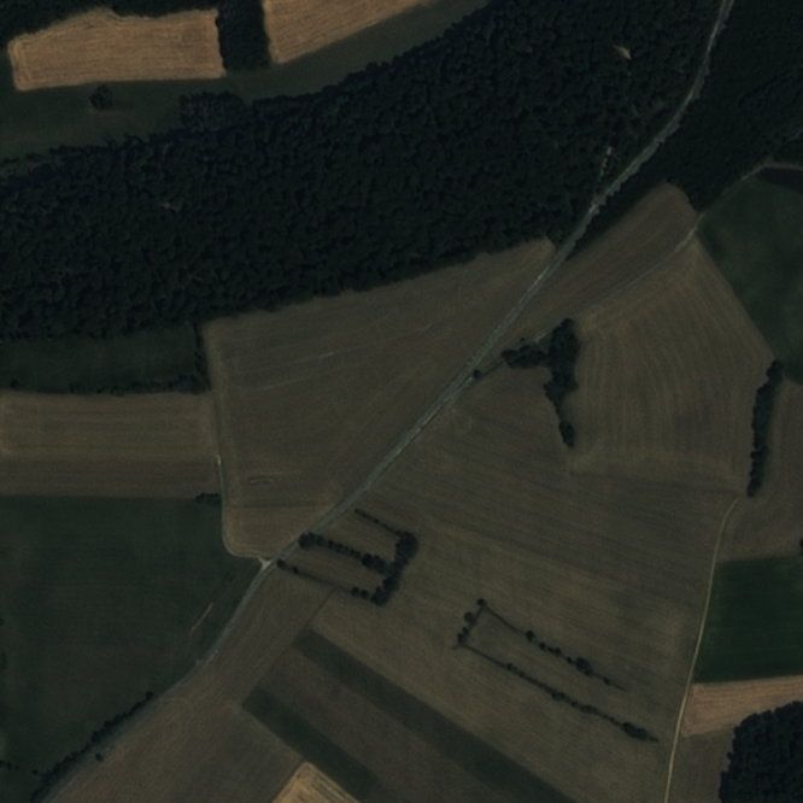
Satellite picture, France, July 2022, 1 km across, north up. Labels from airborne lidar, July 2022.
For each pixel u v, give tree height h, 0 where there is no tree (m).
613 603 0
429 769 0
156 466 0
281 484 0
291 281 30
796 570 0
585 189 21
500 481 0
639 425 0
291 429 0
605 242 0
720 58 19
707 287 0
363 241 29
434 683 0
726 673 0
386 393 0
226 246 30
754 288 0
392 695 0
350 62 0
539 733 0
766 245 0
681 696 0
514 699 0
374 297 0
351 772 0
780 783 7
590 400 0
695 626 0
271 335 0
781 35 11
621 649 0
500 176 32
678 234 0
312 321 0
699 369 0
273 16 0
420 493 0
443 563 0
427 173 25
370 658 0
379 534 0
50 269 23
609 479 0
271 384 0
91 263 12
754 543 0
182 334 0
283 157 14
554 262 0
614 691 0
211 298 25
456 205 29
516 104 32
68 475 0
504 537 0
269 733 0
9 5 17
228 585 0
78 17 0
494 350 0
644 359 0
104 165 34
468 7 0
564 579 0
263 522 0
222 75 0
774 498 0
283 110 20
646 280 0
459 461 0
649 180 12
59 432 0
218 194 23
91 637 0
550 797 0
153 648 0
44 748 0
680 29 25
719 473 0
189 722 0
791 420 0
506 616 0
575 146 26
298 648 0
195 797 0
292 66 0
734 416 0
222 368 0
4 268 18
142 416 0
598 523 0
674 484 0
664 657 0
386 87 32
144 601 0
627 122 29
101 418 0
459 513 0
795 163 13
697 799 0
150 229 24
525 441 0
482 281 0
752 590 0
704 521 0
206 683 0
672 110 9
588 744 0
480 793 0
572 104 32
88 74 0
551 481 0
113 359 0
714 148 19
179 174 31
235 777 0
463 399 0
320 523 0
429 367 0
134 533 0
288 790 0
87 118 0
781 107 17
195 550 0
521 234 17
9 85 0
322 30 0
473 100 30
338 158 28
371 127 27
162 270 26
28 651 0
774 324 0
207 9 11
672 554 0
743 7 11
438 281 0
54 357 0
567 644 0
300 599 0
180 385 13
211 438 0
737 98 14
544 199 25
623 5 29
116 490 0
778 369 13
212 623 0
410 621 0
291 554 0
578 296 0
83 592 0
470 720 0
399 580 15
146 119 0
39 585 0
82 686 0
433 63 32
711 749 0
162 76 0
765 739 24
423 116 25
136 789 0
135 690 0
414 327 0
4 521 0
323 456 0
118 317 25
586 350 0
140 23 0
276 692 0
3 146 0
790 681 0
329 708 0
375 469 0
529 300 0
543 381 0
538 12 32
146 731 0
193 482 0
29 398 0
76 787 0
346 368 0
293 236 31
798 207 0
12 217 32
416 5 0
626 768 0
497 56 34
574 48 29
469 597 0
